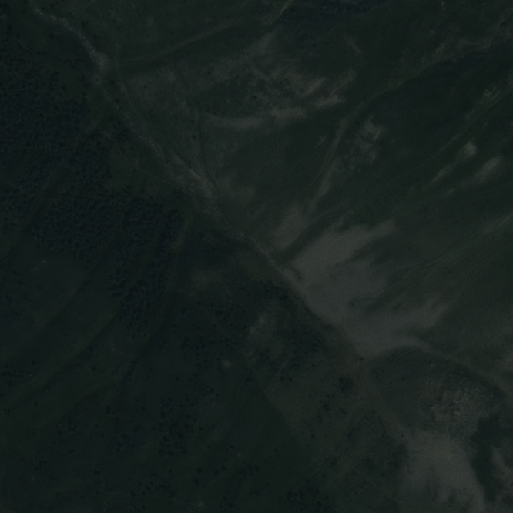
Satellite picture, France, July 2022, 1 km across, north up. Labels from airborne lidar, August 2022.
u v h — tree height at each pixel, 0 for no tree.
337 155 0
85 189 8
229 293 0
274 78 0
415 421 0
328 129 0
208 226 0
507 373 0
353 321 0
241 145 0
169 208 0
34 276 0
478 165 0
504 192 0
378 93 0
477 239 0
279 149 0
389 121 0
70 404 0
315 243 0
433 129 0
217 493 0
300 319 0
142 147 0
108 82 0
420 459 0
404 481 0
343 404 0
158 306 13
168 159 0
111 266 0
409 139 0
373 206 0
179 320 0
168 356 0
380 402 0
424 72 0
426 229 0
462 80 0
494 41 0
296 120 0
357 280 0
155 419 0
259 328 0
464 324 0
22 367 0
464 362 0
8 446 0
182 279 0
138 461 0
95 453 0
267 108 0
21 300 0
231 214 0
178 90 0
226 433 0
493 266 0
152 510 0
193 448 0
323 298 0
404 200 0
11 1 0
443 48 0
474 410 0
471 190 0
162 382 0
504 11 0
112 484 0
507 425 0
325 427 0
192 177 0
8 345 0
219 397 10
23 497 0
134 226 15
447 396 0
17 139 19
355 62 0
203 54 0
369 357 0
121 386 0
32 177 13
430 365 0
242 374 0
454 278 0
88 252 18
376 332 0
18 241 0
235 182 0
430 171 0
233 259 0
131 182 0
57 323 0
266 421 0
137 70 0
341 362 0
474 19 0
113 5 0
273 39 0
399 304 0
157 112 0
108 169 10
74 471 0
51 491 0
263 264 0
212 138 0
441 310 0
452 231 0
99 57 0
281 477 0
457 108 0
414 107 0
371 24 0
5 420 0
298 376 0
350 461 0
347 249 0
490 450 0
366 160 0
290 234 0
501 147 0
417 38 0
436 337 0
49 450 0
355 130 0
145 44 0
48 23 0
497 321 0
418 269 0
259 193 0
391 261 0
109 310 0
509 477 0
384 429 0
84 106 11
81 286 0
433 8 0
